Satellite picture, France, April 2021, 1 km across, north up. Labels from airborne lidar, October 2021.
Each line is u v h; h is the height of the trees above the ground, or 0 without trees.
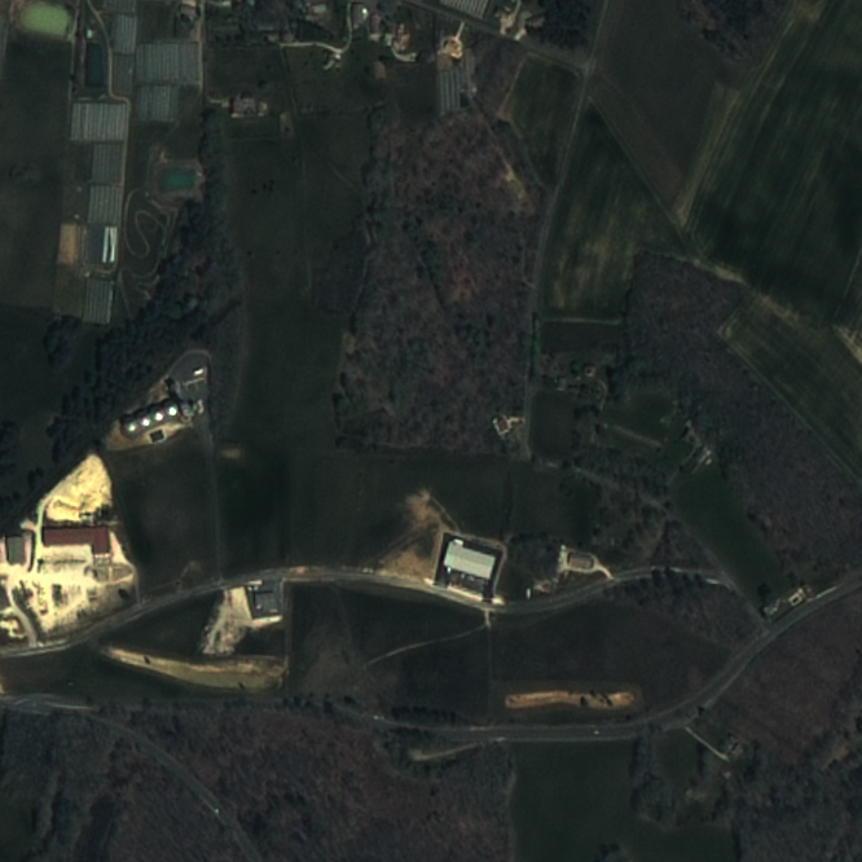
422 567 0
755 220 0
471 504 0
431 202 9
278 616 0
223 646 0
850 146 0
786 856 23
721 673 0
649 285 10
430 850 13
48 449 0
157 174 0
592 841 0
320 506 0
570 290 0
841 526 13
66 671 0
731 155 0
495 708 0
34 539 0
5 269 0
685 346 10
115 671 0
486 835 12
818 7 0
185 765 9
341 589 0
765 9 14
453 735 0
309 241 0
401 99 0
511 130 14
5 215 0
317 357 0
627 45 0
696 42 0
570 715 0
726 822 16
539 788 0
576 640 0
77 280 0
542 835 0
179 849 15
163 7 0
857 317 0
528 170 18
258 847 11
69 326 16
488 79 11
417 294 11
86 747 23
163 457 0
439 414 18
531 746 0
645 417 0
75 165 0
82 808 13
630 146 0
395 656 0
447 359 6
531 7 14
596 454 19
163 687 0
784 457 9
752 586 0
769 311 0
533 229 9
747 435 15
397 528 0
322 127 0
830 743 17
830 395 0
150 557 0
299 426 0
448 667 0
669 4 0
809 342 0
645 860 0
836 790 21
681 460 0
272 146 0
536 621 0
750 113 0
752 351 0
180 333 23
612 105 0
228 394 16
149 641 0
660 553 10
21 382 0
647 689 0
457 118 7
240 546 0
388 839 15
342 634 0
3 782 18
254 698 0
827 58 0
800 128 0
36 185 0
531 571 11
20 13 0
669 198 0
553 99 0
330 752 7
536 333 5
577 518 0
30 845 0
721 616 17
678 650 0
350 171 0
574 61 0
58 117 0
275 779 7
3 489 0
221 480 0
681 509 0
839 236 0
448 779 20
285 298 0
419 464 0
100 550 0
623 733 0
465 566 0
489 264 16
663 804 21
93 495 0
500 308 9
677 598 14
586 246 0
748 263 0
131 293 0
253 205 0
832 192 0
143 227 0
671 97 0
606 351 12
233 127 0
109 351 16
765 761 22
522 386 14
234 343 14
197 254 20
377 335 17
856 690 16
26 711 0
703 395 17
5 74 0
